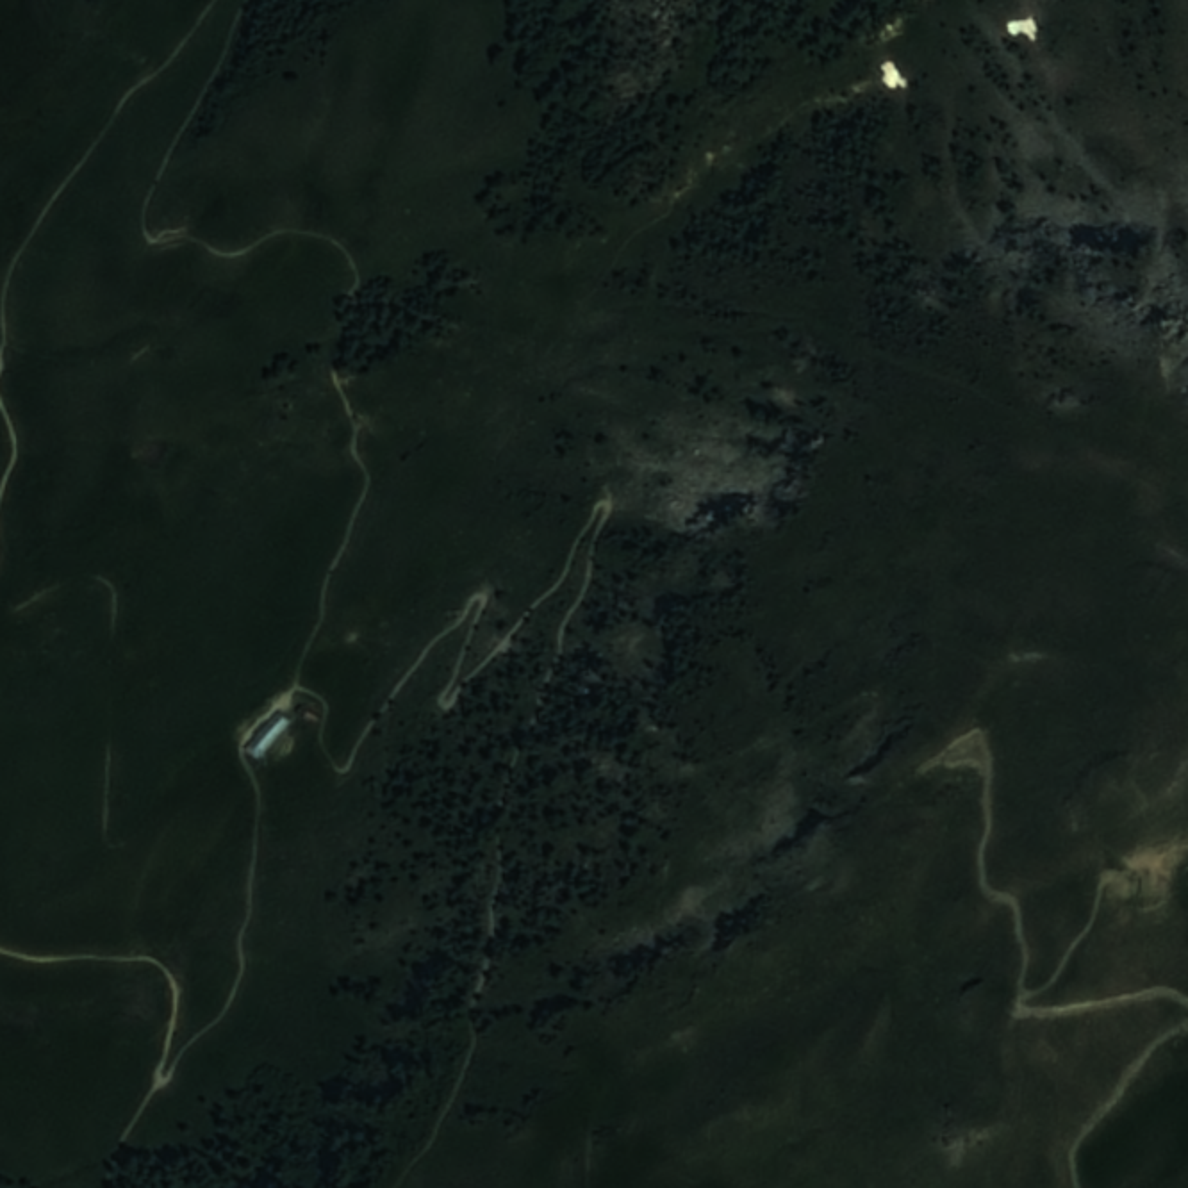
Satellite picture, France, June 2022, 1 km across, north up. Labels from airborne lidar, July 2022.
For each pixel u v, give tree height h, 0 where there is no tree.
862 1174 0
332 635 0
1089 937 0
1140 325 0
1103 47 0
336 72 0
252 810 0
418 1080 21
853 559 0
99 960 0
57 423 0
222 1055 0
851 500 0
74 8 0
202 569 0
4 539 0
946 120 0
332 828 0
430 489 0
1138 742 0
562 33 19
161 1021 0
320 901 0
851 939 0
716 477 0
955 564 0
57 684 0
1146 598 0
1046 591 0
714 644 7
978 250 0
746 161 0
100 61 0
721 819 0
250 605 0
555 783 20
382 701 0
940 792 0
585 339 0
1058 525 0
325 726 0
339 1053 0
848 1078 0
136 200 0
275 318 0
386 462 0
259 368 0
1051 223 0
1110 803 0
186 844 0
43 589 0
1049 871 0
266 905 0
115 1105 0
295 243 0
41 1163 0
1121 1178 0
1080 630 0
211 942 0
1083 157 0
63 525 0
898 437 0
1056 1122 0
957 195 0
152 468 0
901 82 0
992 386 0
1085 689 0
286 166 0
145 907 0
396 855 0
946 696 0
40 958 0
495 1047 0
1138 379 0
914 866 0
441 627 0
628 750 15
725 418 0
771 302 0
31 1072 0
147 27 0
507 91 0
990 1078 0
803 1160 0
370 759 0
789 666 0
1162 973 0
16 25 0
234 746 0
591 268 0
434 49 0
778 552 0
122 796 0
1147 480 0
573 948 0
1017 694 0
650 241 0
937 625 0
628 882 9
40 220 0
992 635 0
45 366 0
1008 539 0
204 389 0
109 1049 0
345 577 0
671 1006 0
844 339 0
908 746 0
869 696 0
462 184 0
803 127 0
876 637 0
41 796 0
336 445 0
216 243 0
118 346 0
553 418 0
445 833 14
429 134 0
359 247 0
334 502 0
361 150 0
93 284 0
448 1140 0
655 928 0
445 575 0
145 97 0
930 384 0
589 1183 0
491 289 0
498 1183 0
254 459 0
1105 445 0
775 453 6
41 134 0
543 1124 0
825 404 8
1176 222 0
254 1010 0
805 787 0
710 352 8
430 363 0
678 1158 0
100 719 0
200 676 0
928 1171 0
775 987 0
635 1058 0
